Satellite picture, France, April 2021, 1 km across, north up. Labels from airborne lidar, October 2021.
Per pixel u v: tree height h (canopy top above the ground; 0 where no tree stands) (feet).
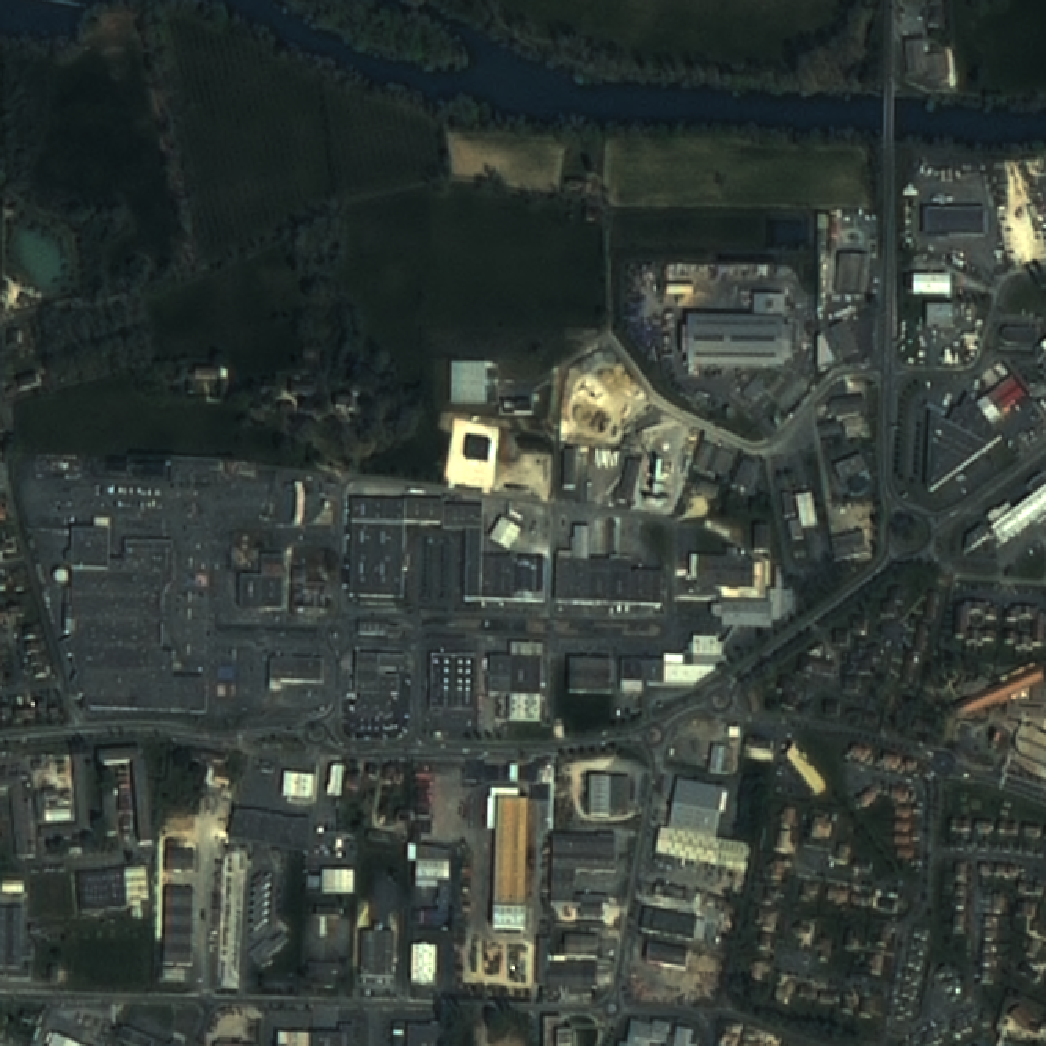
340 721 0
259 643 0
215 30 107
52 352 63
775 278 0
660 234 0
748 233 0
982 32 0
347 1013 0
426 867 0
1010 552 0
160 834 0
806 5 0
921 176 0
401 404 68
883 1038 0
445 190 65
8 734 0
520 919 0
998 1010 27
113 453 0
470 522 0
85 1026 0
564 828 0
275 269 0
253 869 0
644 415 0
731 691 0
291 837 0
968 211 0
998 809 0
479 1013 38
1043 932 0
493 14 98
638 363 0
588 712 0
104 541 0
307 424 50
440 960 0
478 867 0
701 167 0
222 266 23
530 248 0
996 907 0
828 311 0
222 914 0
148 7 77
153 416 0
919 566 29
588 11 0
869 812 0
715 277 0
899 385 0
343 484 0
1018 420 0
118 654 0
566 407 0
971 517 0
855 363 0
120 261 0
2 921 0
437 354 0
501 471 0
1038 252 0
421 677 0
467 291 0
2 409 0
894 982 24
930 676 52
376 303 0
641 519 0
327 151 22
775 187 0
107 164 0
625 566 0
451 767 0
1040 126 0
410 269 0
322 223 76
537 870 0
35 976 0
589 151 69
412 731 0
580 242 0
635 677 0
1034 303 0
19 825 0
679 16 0
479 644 0
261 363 0
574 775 0
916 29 0
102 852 20
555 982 0
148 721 0
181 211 60
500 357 0
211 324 0
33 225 23
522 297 0
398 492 0
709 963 0
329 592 0
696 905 0
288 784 0
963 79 0
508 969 0
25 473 0
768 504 25
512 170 0
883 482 0
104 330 74
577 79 46
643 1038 0
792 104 0
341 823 18
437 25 57
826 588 55
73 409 0
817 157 0
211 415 0
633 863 0
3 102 27
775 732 0
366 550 0
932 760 0
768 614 0
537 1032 0
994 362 0
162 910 0
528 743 0
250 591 0
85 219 51
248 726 0
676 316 0
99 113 0
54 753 21
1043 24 0
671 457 0
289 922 0
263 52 65
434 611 0
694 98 0
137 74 0
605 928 0
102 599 0
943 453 0
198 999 0
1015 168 0
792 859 0
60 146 0
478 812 0
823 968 0
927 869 29
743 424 0
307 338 54
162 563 0
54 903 0
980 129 0
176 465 0
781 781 0
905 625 0
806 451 0
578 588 0
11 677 20
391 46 73
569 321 0
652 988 0
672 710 0
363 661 0
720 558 0
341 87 28
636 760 0
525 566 0
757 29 0
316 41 0
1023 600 0
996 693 0
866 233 0
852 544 0
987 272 0
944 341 0
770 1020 63
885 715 0
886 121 0
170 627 0
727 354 0
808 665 0
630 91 0
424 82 0
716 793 0
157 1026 0
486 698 0
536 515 0
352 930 0
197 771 28
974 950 0
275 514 0
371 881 0
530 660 0
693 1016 0
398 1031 0
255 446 0
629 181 0
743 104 0
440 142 29
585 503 0
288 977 0
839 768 0
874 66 47
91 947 0
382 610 0
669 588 0
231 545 0
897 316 0
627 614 0
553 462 0
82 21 58
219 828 0
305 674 0
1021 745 0
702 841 0
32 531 0
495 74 0
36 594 0
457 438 0
